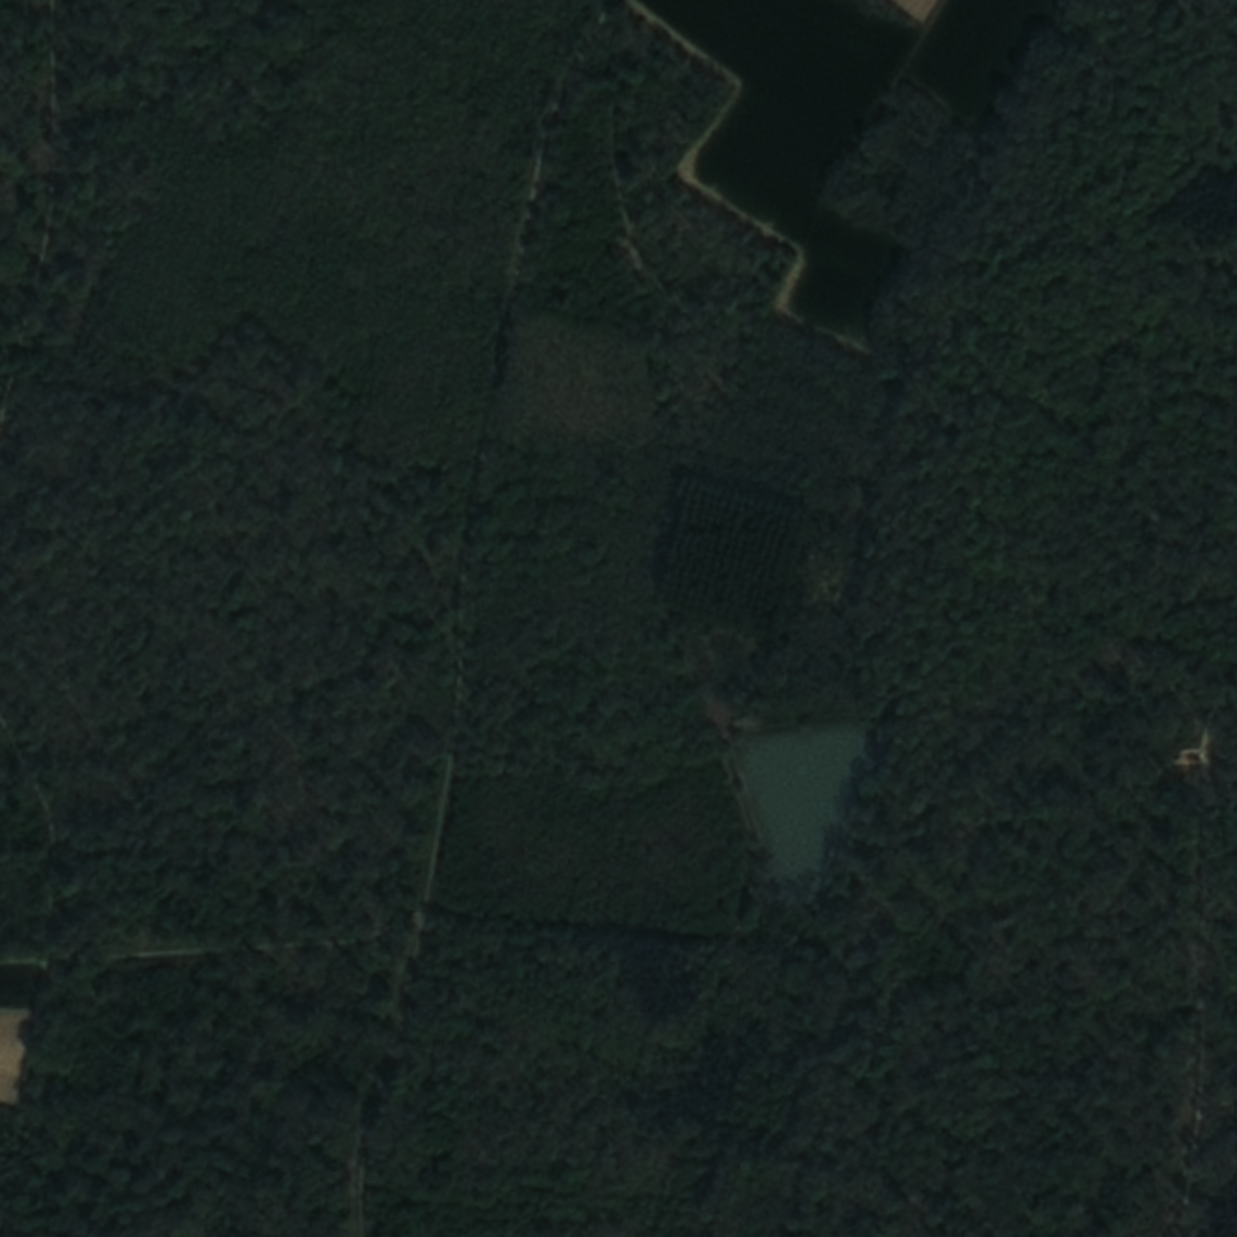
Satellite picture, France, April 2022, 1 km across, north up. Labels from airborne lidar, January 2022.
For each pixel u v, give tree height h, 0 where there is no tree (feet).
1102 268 92
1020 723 94
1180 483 103
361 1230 0
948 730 120
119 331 74
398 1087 87
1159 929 113
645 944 90
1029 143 101
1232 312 98
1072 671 104
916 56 0
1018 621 99
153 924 104
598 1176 64
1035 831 99
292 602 111
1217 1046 92
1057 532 96
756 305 93
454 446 64
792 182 0
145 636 111
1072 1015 104
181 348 54
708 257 106
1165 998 109
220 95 97
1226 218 92
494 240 73
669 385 106
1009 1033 102
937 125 57
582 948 75
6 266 71
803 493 86
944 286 113
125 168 109
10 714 105
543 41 69
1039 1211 101
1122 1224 108
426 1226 69
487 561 71
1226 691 82
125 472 110
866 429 91
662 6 0
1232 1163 110
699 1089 88
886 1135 101
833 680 106
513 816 46
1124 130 84
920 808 110
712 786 46
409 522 99
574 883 34
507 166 79
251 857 101
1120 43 92
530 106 65
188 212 73
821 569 91
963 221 107
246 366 98
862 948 104
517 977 72
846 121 0
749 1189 90
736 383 97
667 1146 73
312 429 104
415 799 94
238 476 104
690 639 62
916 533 94
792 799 0
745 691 72
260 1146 97
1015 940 119
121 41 112
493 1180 70
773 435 87
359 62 76
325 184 71
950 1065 112
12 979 0
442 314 63
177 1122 104
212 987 34
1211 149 95
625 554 67
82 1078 50
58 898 22
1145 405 94
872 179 50
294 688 113
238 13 97
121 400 107
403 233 67
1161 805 106
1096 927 111
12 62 111
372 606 92
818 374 97
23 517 118
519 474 76
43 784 88
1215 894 96
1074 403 92
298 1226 93
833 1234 95
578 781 38
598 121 51
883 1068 113
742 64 0
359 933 94
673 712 82
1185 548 106
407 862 64
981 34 0
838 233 0
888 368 73
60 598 111
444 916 52
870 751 0
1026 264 104
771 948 91
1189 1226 107
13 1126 25
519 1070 78
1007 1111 99
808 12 0
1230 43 94
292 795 109
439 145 76
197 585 106
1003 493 103
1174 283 103
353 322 69
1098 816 111
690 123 105
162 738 97
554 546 79
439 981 58
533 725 93
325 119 70
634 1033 87
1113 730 103
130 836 79
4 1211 84
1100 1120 111
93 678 116
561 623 89
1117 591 100
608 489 78
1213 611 90
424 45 66
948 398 99
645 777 74
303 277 63
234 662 110
